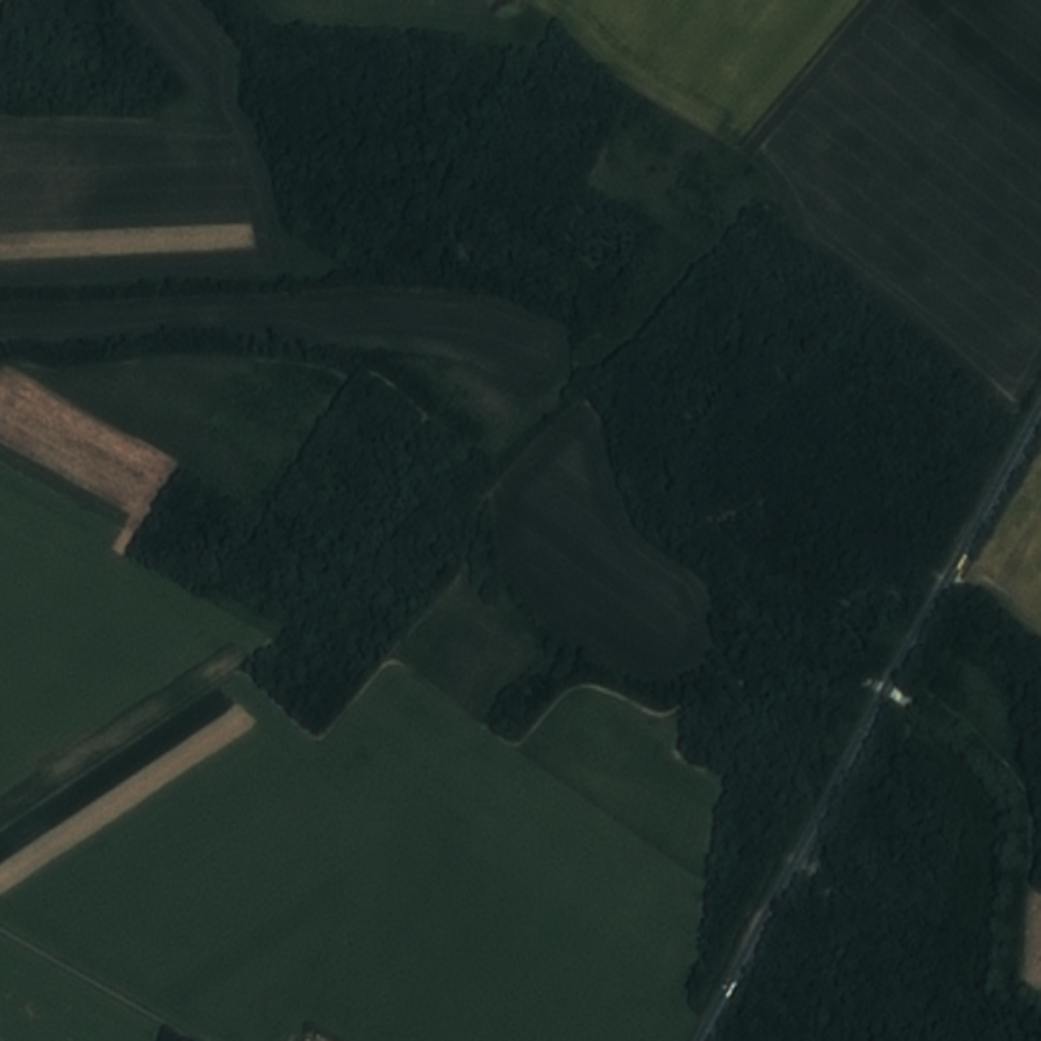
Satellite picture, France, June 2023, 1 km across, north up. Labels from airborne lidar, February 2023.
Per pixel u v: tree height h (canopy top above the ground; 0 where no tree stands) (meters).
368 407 19
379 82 11
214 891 0
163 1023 0
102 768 0
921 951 18
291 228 10
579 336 9
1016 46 0
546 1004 0
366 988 0
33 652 0
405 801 0
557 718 0
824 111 0
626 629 0
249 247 0
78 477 0
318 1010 0
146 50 8
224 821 0
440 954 0
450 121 13
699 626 0
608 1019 0
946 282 0
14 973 0
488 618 0
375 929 0
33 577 0
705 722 20
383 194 19
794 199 0
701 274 19
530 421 0
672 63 0
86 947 0
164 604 0
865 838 14
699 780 0
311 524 21
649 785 0
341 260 15
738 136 0
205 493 12
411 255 19
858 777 19
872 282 0
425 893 0
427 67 20
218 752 0
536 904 0
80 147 0
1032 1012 29
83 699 0
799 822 19
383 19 0
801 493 21
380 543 14
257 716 0
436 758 0
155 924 0
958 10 0
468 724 0
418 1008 0
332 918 0
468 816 0
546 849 0
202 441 0
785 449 17
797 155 0
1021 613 0
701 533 21
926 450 17
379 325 0
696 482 17
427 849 0
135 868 0
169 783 0
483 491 22
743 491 20
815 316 19
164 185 0
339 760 0
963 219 0
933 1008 15
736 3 0
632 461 22
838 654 23
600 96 16
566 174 19
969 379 14
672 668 0
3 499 0
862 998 21
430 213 26
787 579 11
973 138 0
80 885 0
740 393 15
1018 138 0
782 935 15
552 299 19
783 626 19
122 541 0
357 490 13
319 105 20
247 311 0
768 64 0
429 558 14
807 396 17
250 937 0
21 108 15
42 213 0
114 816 0
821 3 0
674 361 20
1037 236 0
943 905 11
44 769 0
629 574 0
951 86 0
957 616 22
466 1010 0
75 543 0
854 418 17
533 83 21
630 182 0
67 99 18
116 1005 0
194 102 0
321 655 18
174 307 0
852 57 0
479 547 18
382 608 22
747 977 17
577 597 0
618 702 0
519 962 0
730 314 22
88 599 0
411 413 16
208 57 0
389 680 0
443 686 0
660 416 21
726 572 18
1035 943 0
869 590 19
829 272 16
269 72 17
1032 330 0
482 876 0
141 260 0
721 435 18
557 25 15
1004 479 0
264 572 13
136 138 0
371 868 0
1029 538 0
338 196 16
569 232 21
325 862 0
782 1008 17
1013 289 0
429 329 0
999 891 19
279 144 17
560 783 0
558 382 0
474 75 16
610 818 0
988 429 12
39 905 0
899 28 0
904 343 13
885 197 0
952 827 18
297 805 0
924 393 18
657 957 0
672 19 0
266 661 18
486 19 0
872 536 16
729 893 19
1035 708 21
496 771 0
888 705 16
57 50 19
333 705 10
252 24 16
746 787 17
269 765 0
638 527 15
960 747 22
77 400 0
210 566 19
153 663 0
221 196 0
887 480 20
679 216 0
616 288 17
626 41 0
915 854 14
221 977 0
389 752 0
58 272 0
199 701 0
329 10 0
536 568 0
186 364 0
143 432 0
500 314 0
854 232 0
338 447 19
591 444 0
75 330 0
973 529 0
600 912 0
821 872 11
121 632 0
